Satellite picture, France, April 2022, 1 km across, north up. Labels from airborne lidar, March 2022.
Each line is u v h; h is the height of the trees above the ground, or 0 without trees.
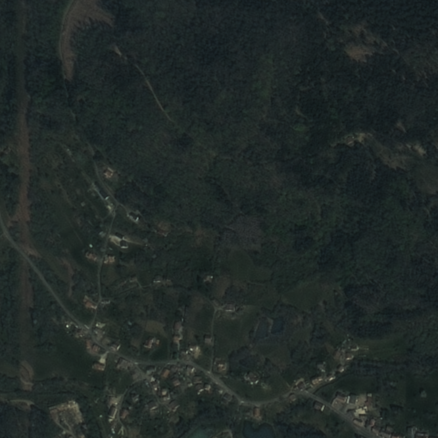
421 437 0
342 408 0
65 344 0
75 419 0
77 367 0
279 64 21
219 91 28
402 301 31
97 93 20
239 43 26
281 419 19
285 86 20
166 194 20
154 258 22
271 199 25
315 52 24
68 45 0
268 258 10
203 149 25
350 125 28
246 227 27
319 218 25
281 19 20
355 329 21
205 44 22
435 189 0
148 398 7
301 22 17
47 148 20
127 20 14
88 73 21
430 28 36
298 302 0
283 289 6
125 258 13
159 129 30
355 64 24
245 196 17
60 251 6
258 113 24
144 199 23
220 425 0
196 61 22
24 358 0
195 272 8
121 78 26
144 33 29
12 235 9
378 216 23
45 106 26
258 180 20
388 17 34
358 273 11
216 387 5
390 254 20
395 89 21
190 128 15
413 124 21
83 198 0
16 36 13
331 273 14
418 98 24
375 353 0
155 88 18
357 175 18
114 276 0
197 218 24
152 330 0
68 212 0
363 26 32
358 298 27
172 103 26
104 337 0
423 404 0
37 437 24
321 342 26
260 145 21
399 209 25
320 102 10
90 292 8
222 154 22
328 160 24
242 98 24
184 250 9
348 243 20
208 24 15
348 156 35
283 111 23
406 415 0
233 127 27
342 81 34
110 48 21
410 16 35
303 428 18
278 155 20
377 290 27
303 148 17
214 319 0
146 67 20
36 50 10
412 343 13
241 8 17
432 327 15
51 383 12
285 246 7
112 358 0
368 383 0
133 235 7
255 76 23
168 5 27
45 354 0
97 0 0
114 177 0
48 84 12
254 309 0
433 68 27
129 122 25
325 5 23
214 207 25
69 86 19
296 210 28
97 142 19
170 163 27
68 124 22
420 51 32
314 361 14
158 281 0
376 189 23
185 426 19
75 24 0
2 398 0
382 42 27
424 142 20
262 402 0
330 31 29
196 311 0
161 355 0
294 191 30
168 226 0
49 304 8
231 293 15
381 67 19
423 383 0
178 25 22
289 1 22
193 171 28
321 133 19
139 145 29
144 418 9
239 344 0
